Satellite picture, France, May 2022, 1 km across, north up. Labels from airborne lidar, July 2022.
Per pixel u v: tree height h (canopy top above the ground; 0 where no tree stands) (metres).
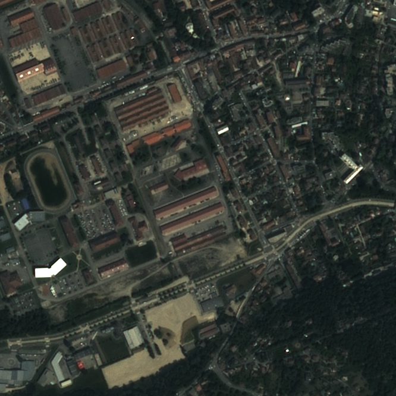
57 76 0
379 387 8
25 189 17
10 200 0
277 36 0
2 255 0
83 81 0
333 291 27
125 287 0
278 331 6
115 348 0
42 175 0
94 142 0
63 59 0
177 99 0
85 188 0
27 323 16
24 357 0
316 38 15
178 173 0
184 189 14
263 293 5
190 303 0
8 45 0
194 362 11
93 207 0
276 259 0
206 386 6
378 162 19
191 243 0
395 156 20
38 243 0
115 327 0
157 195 0
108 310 0
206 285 0
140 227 0
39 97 0
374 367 19
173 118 0
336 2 0
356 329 10
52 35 0
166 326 0
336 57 9
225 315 10
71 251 0
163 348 0
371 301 19
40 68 0
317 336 15
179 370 27
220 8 0
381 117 13
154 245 0
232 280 0
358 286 23
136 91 0
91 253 0
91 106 19
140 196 0
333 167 0
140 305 0
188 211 0
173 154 0
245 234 13
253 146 7
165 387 18
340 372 13
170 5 24
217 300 0
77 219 12
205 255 0
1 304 0
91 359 0
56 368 0
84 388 0
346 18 0
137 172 0
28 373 0
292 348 10
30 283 0
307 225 0
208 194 0
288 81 0
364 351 5
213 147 11
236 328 10
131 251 0
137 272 0
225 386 13
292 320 8
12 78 0
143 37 0
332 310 19
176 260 0
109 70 0
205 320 0
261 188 7
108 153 0
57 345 0
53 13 0
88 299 0
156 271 0
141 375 0
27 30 0
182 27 22
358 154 17
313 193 11
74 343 0
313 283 22
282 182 0
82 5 0
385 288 25
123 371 0
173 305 0
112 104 0
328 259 11
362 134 9
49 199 0
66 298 0
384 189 8
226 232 0
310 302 22
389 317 12
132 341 0
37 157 0
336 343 15
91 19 0
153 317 0
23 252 0
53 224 0
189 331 0
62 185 0
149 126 0
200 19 0
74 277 0
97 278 0
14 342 0
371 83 6
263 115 7
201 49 16
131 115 0
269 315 10
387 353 10
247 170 9
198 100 0
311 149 13
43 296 0
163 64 18
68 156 0
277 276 11
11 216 0
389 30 8
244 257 0
